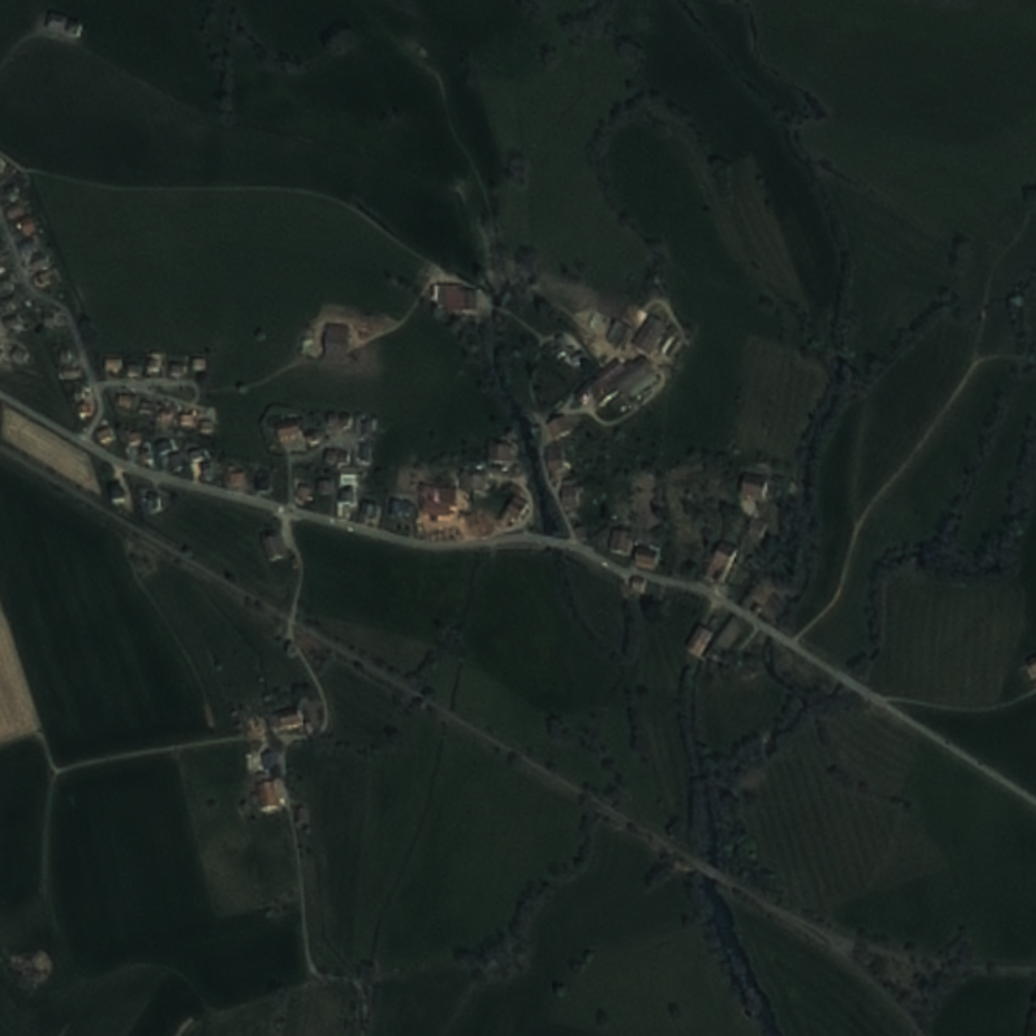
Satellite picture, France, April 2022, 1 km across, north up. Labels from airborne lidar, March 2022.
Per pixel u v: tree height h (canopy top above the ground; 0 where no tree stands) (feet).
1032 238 0
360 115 0
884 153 0
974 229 0
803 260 0
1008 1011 0
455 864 0
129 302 0
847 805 0
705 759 37
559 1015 0
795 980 0
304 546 0
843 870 0
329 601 0
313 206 0
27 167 0
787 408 0
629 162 0
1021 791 0
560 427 0
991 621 0
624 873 0
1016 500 41
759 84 0
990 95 0
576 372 0
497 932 0
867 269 0
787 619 52
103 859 0
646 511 0
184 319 0
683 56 0
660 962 0
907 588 0
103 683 0
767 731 0
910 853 0
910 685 0
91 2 0
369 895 0
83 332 36
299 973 0
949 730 0
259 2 0
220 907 0
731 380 0
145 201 0
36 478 0
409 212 0
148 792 0
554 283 0
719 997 0
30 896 0
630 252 0
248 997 0
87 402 0
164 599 0
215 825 0
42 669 0
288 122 0
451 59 0
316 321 0
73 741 0
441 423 0
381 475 30
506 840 0
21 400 0
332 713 0
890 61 0
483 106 0
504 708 0
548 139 0
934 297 0
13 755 0
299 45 0
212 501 0
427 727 0
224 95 22
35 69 0
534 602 0
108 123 0
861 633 0
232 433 0
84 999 0
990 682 0
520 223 0
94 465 0
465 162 0
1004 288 0
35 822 0
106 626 0
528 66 0
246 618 0
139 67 0
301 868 0
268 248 0
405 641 0
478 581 0
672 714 0
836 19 0
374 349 0
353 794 0
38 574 0
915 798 0
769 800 0
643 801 0
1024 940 0
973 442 0
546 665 0
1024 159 0
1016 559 65
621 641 0
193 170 0
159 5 0
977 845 0
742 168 0
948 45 0
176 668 0
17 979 49
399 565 0
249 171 0
